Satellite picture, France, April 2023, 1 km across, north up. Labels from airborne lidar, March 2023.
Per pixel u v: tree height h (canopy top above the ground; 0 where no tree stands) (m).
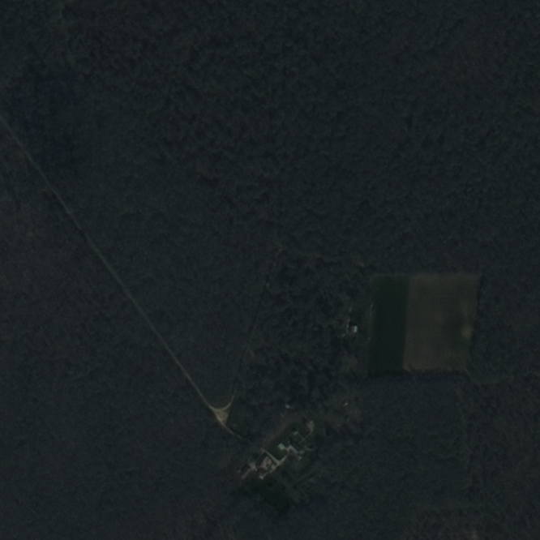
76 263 21
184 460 25
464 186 24
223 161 30
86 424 24
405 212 29
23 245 11
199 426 20
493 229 27
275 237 22
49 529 25
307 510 21
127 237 30
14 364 23
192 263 29
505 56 24
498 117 30
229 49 25
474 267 23
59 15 23
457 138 27
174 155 30
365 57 24
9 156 9
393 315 0
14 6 25
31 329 20
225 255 26
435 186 21
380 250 30
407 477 24
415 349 0
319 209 26
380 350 0
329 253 24
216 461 23
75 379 26
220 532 28
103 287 14
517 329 25
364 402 28
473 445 15
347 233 28
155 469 26
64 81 26
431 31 24
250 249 25
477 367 19
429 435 25
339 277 30
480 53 28
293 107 28
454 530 21
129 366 28
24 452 26
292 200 28
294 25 20
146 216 31
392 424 28
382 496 26
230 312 27
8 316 21
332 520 27
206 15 24
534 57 25
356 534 24
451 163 29
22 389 25
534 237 28
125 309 29
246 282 26
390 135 28
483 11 28
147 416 26
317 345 28
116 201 26
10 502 24
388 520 27
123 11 29
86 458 25
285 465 0
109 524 27
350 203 26
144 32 16
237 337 28
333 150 27
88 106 20
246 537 25
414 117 21
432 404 26
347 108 19
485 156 28
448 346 0
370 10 27
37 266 24
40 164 27
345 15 30
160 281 26
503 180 28
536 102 28
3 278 25
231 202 19
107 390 23
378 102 26
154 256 28
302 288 22
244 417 21
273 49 23
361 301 27
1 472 24
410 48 25
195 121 17
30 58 27
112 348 23
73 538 26
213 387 24
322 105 25
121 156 21
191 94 27
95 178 27
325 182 26
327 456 24
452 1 24
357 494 27
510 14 24
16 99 7
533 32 24
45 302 24
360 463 26
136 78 27
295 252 24
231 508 15
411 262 29
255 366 19
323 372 30
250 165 31
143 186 28
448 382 26
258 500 9
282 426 18
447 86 28
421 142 28
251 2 21
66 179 28
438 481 27
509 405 24
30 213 27
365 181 28
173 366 26
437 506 21
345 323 17
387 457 24
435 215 30
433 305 0
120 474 23
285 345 29
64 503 25
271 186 16
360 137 28
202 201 30
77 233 24
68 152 27
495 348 24
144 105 22
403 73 25
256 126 28
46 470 25
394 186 29
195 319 26
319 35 31
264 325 23
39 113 27
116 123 28
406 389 22
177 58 29
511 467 23
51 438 24
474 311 0
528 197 28
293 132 25
